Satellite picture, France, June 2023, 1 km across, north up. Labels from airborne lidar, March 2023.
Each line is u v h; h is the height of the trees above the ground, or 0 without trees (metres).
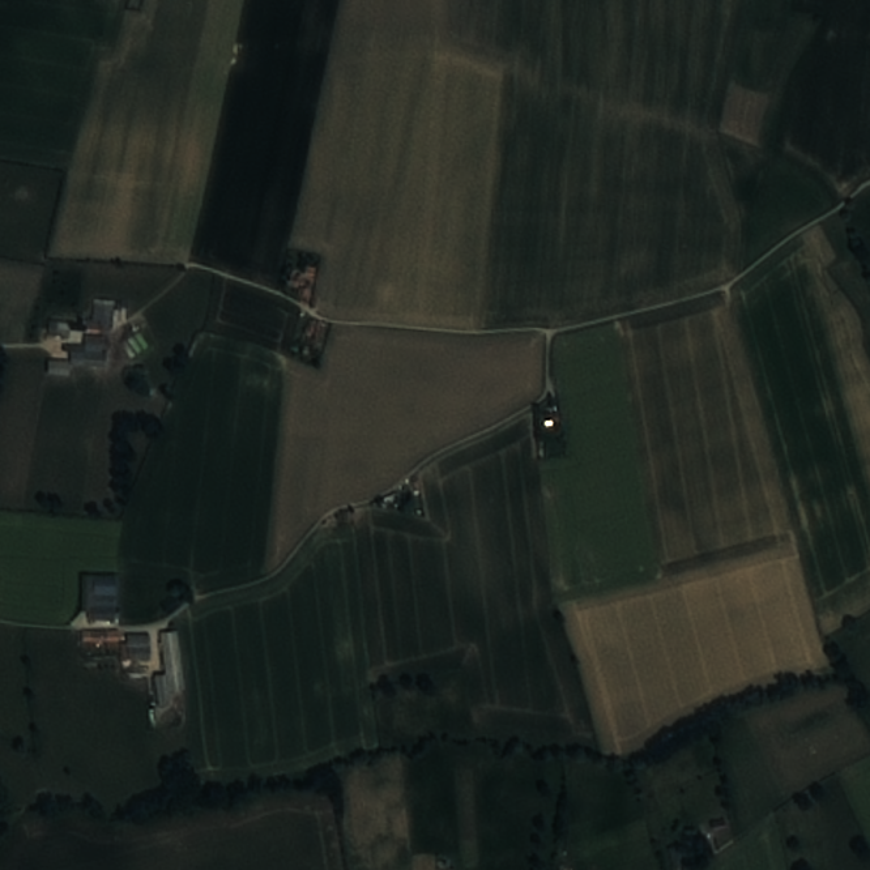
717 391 0
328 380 0
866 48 0
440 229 0
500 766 0
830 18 0
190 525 0
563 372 0
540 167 0
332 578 0
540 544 0
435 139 0
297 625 0
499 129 0
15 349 0
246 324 0
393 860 0
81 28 0
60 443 0
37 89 0
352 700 0
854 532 0
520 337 0
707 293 0
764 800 0
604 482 0
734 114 0
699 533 0
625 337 0
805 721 0
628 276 0
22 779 0
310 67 0
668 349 0
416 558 0
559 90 0
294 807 0
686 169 0
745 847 0
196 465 0
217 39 0
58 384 0
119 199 0
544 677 0
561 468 0
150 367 0
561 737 0
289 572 0
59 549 0
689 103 0
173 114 0
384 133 0
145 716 0
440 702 0
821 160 0
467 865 0
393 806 0
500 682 0
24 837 0
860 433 0
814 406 0
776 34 0
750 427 0
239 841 0
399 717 0
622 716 0
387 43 0
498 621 0
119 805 0
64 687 0
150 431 22
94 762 0
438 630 0
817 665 0
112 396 0
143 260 0
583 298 0
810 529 0
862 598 0
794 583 0
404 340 0
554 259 0
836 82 0
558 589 0
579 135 0
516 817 0
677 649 0
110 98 0
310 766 0
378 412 0
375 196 0
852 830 0
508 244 0
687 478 0
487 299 0
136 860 0
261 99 0
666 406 0
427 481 0
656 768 0
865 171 0
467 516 0
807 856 0
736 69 0
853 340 0
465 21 0
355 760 9
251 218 0
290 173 0
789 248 0
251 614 0
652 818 0
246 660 0
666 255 0
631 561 0
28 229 0
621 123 0
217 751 0
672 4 0
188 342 0
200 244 0
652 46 0
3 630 0
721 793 12
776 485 0
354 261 0
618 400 0
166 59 0
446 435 0
